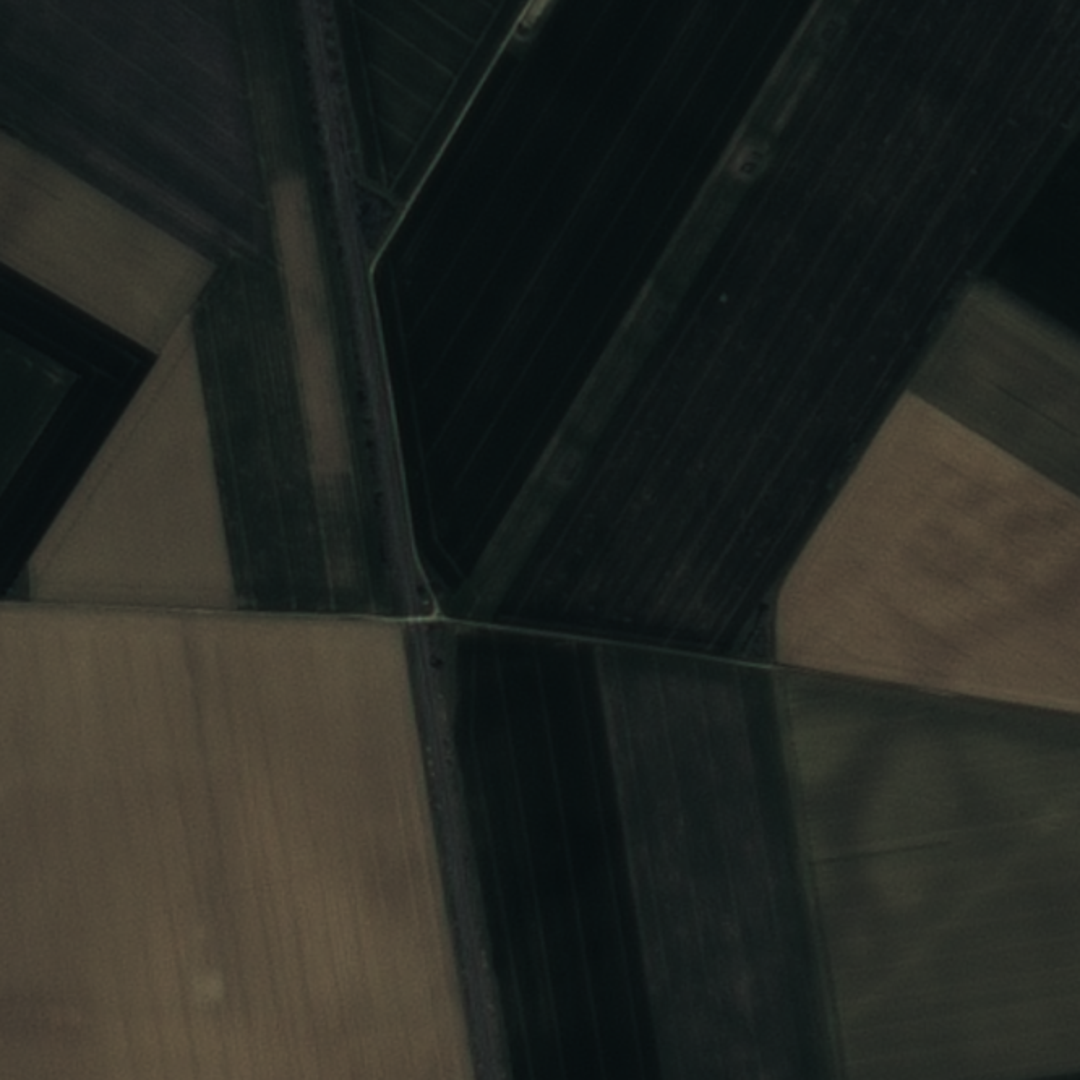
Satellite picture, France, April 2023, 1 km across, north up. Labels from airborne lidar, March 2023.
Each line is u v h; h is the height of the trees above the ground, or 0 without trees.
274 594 0
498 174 0
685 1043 0
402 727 0
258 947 0
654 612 0
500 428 0
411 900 0
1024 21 0
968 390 0
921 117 0
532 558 0
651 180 0
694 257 0
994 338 0
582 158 0
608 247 0
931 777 0
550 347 0
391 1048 0
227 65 0
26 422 0
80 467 0
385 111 0
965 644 0
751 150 0
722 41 0
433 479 0
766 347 0
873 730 0
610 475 0
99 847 0
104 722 0
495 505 0
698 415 0
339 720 0
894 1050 0
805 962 0
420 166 0
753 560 0
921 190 0
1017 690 0
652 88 0
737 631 0
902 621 0
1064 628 0
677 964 0
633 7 0
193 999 0
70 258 0
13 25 0
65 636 0
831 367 0
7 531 0
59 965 0
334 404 0
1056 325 0
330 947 0
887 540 0
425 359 0
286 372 0
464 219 0
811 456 0
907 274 0
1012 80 0
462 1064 0
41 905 0
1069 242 0
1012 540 0
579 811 0
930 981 0
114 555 0
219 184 0
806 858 0
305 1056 0
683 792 0
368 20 0
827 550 0
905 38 0
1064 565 0
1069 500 0
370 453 8
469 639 0
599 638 0
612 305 0
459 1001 0
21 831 0
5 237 0
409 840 0
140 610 0
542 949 0
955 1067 0
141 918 0
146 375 0
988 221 0
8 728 0
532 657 0
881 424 0
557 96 0
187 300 0
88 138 0
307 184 0
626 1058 0
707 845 0
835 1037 0
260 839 0
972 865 0
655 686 0
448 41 0
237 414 0
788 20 0
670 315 0
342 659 0
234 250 0
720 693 0
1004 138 0
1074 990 0
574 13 0
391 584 0
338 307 0
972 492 0
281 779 0
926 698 0
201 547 0
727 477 0
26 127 0
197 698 0
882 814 0
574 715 0
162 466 0
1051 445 0
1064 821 0
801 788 0
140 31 0
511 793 0
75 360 0
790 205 0
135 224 0
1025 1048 0
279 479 0
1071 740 0
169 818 0
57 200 0
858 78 0
